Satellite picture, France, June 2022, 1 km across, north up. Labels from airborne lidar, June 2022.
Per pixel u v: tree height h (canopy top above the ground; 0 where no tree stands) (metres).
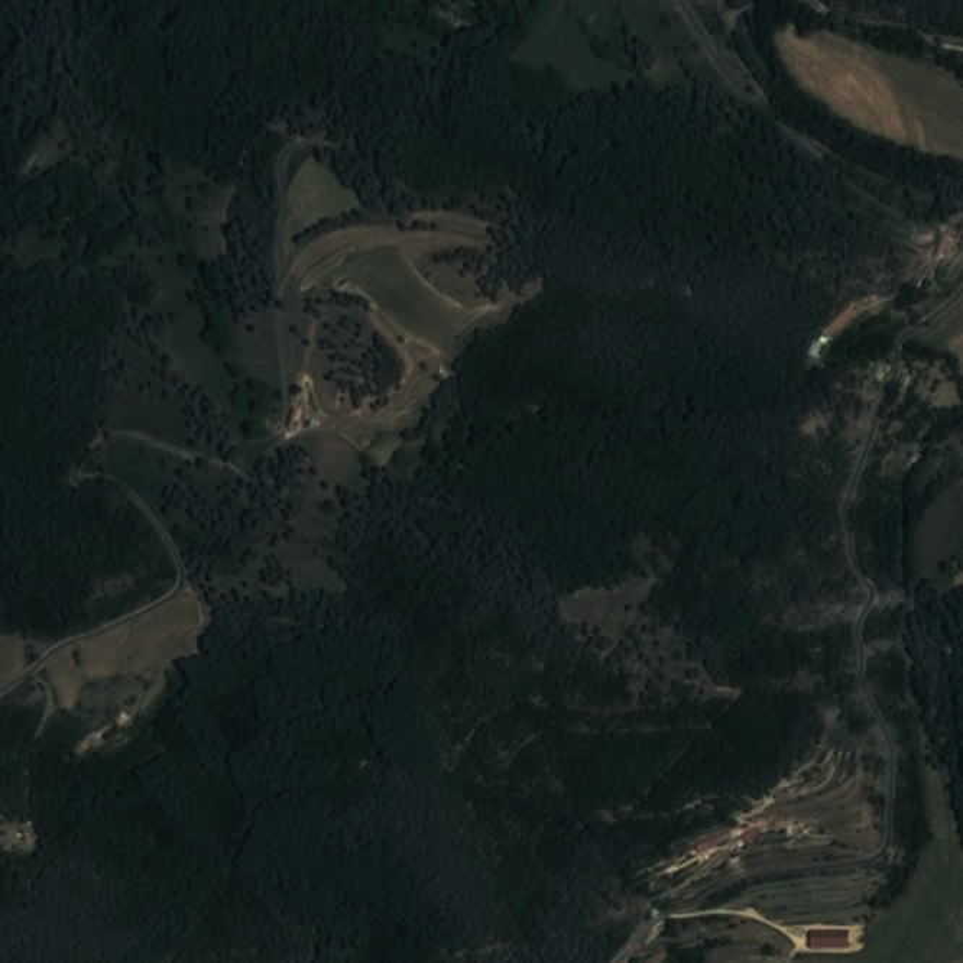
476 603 17
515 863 14
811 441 12
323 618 21
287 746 26
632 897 9
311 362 0
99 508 17
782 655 15
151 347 17
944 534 0
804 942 0
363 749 7
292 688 35
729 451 22
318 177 0
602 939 12
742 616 22
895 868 13
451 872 15
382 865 33
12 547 18
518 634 12
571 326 11
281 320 0
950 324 0
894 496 8
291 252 0
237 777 37
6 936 13
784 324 20
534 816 14
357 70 21
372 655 23
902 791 18
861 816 0
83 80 11
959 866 0
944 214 14
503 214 16
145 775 28
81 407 17
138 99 21
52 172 12
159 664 0
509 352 19
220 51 23
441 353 0
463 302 0
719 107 15
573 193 34
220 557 13
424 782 13
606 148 34
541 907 7
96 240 18
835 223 15
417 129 19
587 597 0
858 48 0
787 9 20
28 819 11
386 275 0
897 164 21
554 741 13
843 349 11
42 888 14
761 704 13
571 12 8
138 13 35
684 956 12
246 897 21
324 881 34
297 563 0
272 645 17
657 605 13
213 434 26
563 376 12
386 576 6
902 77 0
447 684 15
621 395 16
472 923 18
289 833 31
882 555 14
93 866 14
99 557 13
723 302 17
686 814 10
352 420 0
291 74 8
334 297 8
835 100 0
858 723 17
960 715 20
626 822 11
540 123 20
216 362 0
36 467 18
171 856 18
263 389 10
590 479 16
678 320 16
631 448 24
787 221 15
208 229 10
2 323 20
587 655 16
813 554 6
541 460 19
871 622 14
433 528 22
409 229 10
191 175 0
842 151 18
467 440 23
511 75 15
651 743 9
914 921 0
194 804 26
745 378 31
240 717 8
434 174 17
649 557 9
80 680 0
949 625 17
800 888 0
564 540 19
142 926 16
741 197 22
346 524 14
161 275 0
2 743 11
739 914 0
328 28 18
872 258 11
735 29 7
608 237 22
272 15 22
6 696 0
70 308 15
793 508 24
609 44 10
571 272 19
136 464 0
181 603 0
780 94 19
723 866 6
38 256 0
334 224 18
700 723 12
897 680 15
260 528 25
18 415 17
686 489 16
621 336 14
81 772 11
